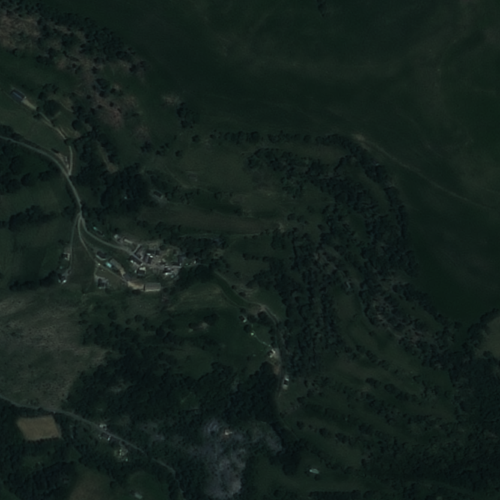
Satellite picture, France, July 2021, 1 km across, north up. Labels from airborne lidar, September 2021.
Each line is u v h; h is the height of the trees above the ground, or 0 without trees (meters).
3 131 7
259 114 0
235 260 0
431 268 0
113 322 8
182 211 0
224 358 0
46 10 21
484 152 0
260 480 0
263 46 0
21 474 16
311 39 0
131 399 13
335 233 20
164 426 9
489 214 0
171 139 0
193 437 16
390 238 23
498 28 0
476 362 17
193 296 0
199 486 12
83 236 0
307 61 0
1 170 26
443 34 0
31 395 0
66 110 0
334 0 0
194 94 0
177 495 20
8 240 0
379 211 21
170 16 0
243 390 21
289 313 16
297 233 18
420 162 0
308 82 0
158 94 0
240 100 0
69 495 0
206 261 14
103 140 28
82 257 0
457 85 0
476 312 0
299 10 0
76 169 0
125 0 0
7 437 19
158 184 12
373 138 0
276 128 0
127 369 12
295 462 13
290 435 6
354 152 20
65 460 31
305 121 0
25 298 0
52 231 0
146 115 0
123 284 0
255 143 21
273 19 0
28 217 17
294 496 9
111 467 22
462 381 18
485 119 0
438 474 14
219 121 0
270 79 0
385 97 0
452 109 0
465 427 21
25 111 0
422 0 0
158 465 11
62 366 0
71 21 26
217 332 0
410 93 0
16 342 0
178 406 19
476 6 0
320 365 19
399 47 0
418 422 19
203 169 0
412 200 0
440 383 0
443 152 0
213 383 23
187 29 0
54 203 0
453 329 10
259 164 15
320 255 6
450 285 0
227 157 0
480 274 0
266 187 0
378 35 0
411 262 17
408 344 22
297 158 18
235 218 0
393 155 0
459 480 18
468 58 0
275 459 14
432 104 0
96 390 14
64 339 0
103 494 0
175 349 8
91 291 0
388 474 16
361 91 0
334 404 0
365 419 0
